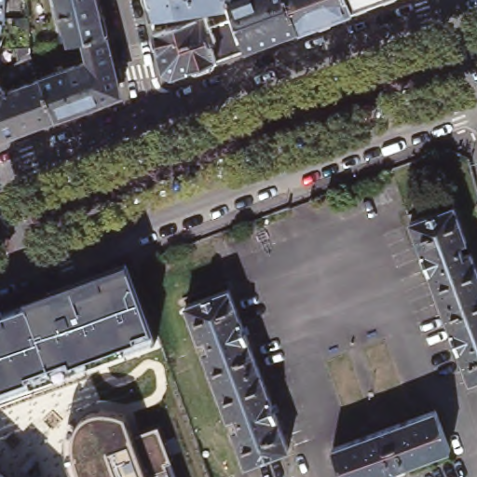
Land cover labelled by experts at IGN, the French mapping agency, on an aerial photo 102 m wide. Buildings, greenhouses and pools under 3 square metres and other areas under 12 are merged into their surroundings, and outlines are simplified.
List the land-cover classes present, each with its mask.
<instances>
[{"label":"impervious surface","instance_id":"1","mask_svg":"<svg viewBox=\"0 0 477 477\"><path fill-rule=\"evenodd\" d=\"M26 4V0H4V15L7 19H22L20 9ZM102 24L114 54L117 73H125V80L119 84V95L127 102L104 108L101 112H93L88 116L76 117L73 121H67L52 129L24 136L11 143L4 151H0V192L6 186H24L26 179L32 175L61 170L65 162L84 160L95 153H101L104 149H116L123 143L147 145L145 134L155 132L160 123H173L175 119L190 114L201 117L203 114L220 112L224 110V104L235 101L240 93L252 95L261 89L281 86L287 84V78H304L322 69L339 65L363 52L406 41L414 37L416 32H425V26L432 22L449 19L453 26L462 28V19L466 17V13L477 11V0H397L389 6L376 7L360 17L332 26L330 30L304 35L296 41H287L252 54L248 58L220 65L211 75L184 78L179 82H168L160 86L155 65L151 61V48L157 39V24L151 22L149 15L143 11L142 0H99ZM82 61L80 50H65L61 45L56 47L52 41H48L39 43L34 48H13L11 52H4V58H0V86L4 89L19 88L22 84L34 82L37 78L50 75L58 69L78 65ZM466 76L471 88H475L477 97V54L471 52L470 56L453 65L429 67L414 71L410 75L397 76L384 84H376L375 88L363 93L345 91L341 93L339 101L326 106H315L306 110L296 106L291 116L266 119L259 129L253 130L250 134L233 136L207 149L205 153L196 155L192 160L171 166L158 164L145 175L130 177L129 183L117 186L114 190L93 192L84 198L63 201L58 209L41 212L37 218L24 220L20 224H9L0 211V319L17 313L22 306L34 304L37 300H43L52 294L69 291L76 285L104 278L121 270L129 276L151 332V339H136L132 347L117 352L114 360L88 369L76 367L75 373L71 376L52 375V382L45 388L30 391L19 388L0 395V477H67L63 457L54 449L60 445L61 438L67 434V429L78 425L82 419L89 416H110L123 419L142 470L151 464V458L143 445L142 434L134 427L136 419L132 416L134 412L142 410L143 406H155L162 401V395L166 391L164 365L155 360L143 361L132 371V375L114 371L112 367L160 348V319L164 311L166 294V265L160 261V255L168 252L173 246L190 248L196 244V250L209 263L194 268L190 287L184 298L186 302L196 304L205 302L207 296L212 294L231 293L242 328L248 330V335L244 339L252 347L257 367L265 380L268 397L274 406L272 417L283 430L285 438L291 436L289 449L281 457V462H274L263 468L259 477H339L332 462V453L337 445L360 440L369 434H375L378 430L401 425L408 419L429 412H436L440 417L443 436L445 440L453 442L455 453L449 455L445 462L440 460L434 464L417 466L412 470L410 477H477V389L468 386V380L464 376L466 369L455 367L451 352L438 350L436 347V343L447 341L449 335L440 328L443 320H436V315H432L429 309V296L423 291V261L417 259L416 246L401 231V227H412L414 220H419L421 211L404 207L397 186L389 184L380 196L365 198L354 211L343 214L313 211L309 205L315 199L326 198L330 190H337L343 184L354 186L363 181H373L382 171H388L402 166H408L410 170L421 168L425 162L447 164L453 170L458 171L462 168L464 171L475 205L473 214L477 218V104L471 110L455 112L453 116H445L429 125H401L395 129H388L382 136H373L369 140V147L354 151L345 157L335 158L334 164H320L293 173H279L270 181L248 184L240 190H211L198 198L171 203L168 209L151 212L149 216L145 212L138 222H129L119 231H106L102 233L99 242L84 246L80 250H71L63 261L56 265H35L28 257V253L24 252V233L61 222L69 212H88L95 205H108L114 201L121 203L123 196L136 198L142 192L155 188V184L160 181L186 183L196 177L198 171L216 166L218 158L231 157L238 151H246L252 143L263 140L266 136H276L279 132L300 129L307 123H328L330 119L348 121L352 114L360 110L373 112L378 97L382 95L425 88L434 80L447 82ZM287 209L293 212L291 220L276 222L268 227L263 225L261 231L253 229L252 237L246 242H235L231 231L238 224L253 225L257 220L265 222L266 216L276 212ZM149 369L157 376V388L143 401L129 404L102 401L95 386L89 382V376L101 373L108 384L121 388L132 384L134 378L142 376Z\"/></svg>","mask_w":477,"mask_h":477},{"label":"building","instance_id":"2","mask_svg":"<svg viewBox=\"0 0 477 477\"><path fill-rule=\"evenodd\" d=\"M4 0H0V28L4 26ZM54 32L60 37L61 45L65 50H80L82 61L78 65L58 69L50 75L37 78L34 82L22 84L19 88L4 89L0 86V151H4L11 143L24 136L52 129L67 121H73L76 117L88 116L93 112H101L104 108L127 102L119 95V84L125 80V73H117L114 54L102 24L99 0H50ZM397 0H142L143 11L149 15L151 22L157 24V39L151 48V61L155 65L160 86L168 82H179L184 78L211 75L220 65L248 58L252 54L287 41H296L304 35L330 30L332 26L360 17L376 7L389 6ZM401 231L416 246L417 259L423 261V291L429 296V309L432 315H436V320H443L440 328L449 335L447 341L436 343V347L438 350L451 352L455 367L466 369L464 376L468 380V386L477 389V263L471 255H462L468 246V240L460 224L458 212L453 209L451 203L421 211L419 220H414L412 227H401ZM151 339V332L129 276L121 270L104 278L76 285L69 291L52 294L43 300H37L34 304L22 306L17 313L0 319V395L19 388L30 391L45 388L52 382V375L71 376L75 373L76 367L88 369L114 360L117 352L132 347L136 339ZM184 322L194 345L199 348V360L203 365L207 384L216 401V408L224 419L231 447L237 455V477H259L263 468L274 462H281V457L289 449L291 436L285 438L283 430L272 417L274 406L268 397L265 380L257 367L252 347L244 339L248 335V330L242 328L231 293L212 294L207 296L205 302L196 304L186 302V311H183ZM455 453L453 442L445 440L443 436L440 417L436 412H429L408 419L401 425L378 430L375 434H369L360 440L337 445L332 453V462L339 477H410L412 470L417 466L434 464L440 460L445 462L449 455ZM143 445L151 458V464L142 470L123 419L110 416H89L82 419L78 425L67 429V434L61 438L60 445L54 449L63 457L67 477H173L170 457L160 432L147 430L142 434Z\"/></svg>","mask_w":477,"mask_h":477},{"label":"deciduous trees","instance_id":"3","mask_svg":"<svg viewBox=\"0 0 477 477\"><path fill-rule=\"evenodd\" d=\"M471 52L477 54V11L466 13V17L462 19V28L453 26L449 19L432 22L425 26V32H416L414 37L406 41L363 52L339 65L322 69L304 78H287V84L281 86L261 89L252 95L240 93L235 101L224 104V110L220 112L203 114L201 117L190 114L175 119L173 123H160L155 132L145 134L147 145L123 143L116 149H104L101 153H95L84 160L65 162L61 170L32 175L26 179L24 186H6L0 192V211L9 224H20L24 220L37 218L41 212L58 209L63 201L84 198L93 192L114 190L117 186L129 183L130 177L145 175L158 164L171 166L192 160L196 155L205 153L207 149L233 136L250 134L253 130L259 129L266 119L291 116L296 106L306 110L315 106H326L339 101L341 93L345 91L363 93L375 88L376 84H384L397 76L410 75L414 71L429 67L453 65L470 56ZM477 104V97L475 88H471L466 76L447 82L434 80L425 88L382 95L378 97L373 112L360 110L352 114L348 121L330 119L328 123H307L300 129L279 132L276 136H266L263 140L252 143L246 151H238L231 157L218 158L216 166L198 171L196 177L186 183L160 181L155 184V188L142 192L136 198L123 196L121 203L114 201L108 205H95L88 212H69L61 222L24 233V252L28 253V257L35 265H56L63 261L71 250H80L84 246L99 242L102 233L106 231H119L129 222H138L145 212L149 216L151 212L168 209L171 203L198 198L211 190H240L248 184L270 181L279 173H293L320 164H334L335 158L345 157L354 151L369 147V140L373 136H382L388 129H395L401 125H429L445 116H453L455 112L471 110ZM391 173L388 171H382L373 181H363L354 186L343 184L337 190H330L326 198L315 199L309 205L313 211L343 214L354 211L365 198L380 196L389 184ZM404 207L421 211L451 203V198L440 186L416 183V179L408 173V181L397 186ZM253 229V225L238 224L231 231L235 242H246L252 237ZM160 261L166 265V294L170 296L175 291L184 298L190 287L194 268L209 263L196 250V244L190 248L173 246L168 252L160 255Z\"/></svg>","mask_w":477,"mask_h":477},{"label":"herbaceous vegetation","instance_id":"4","mask_svg":"<svg viewBox=\"0 0 477 477\"><path fill-rule=\"evenodd\" d=\"M22 19H7L4 15V26L0 28V58H4V52H11L13 48H34L39 43L48 41H52L56 47L61 45L60 37L54 32L50 0H26V4L20 9ZM410 170L408 166H402L388 171L391 173L389 184L397 186L408 181V173ZM445 179L449 183L457 184V194L451 198V203L453 209L458 212L460 224L468 240V246L462 255H471L477 263V218L473 214L475 205L464 171L462 168L458 171L453 170L445 173ZM183 311H186V302L184 298L175 291L170 296L166 294L164 311L160 319V348L112 367L114 371L132 375V371L143 361L155 360L164 365L166 391L162 395V401L155 406H143L142 410L134 412L132 416L136 419L134 427L142 434L147 430L160 432L170 457L173 477H237V455L231 447L224 419L216 408V401L207 384L203 365L199 360V348L194 345L184 322ZM89 382L95 386L102 401L129 404L143 401L157 388V376L149 369L142 376L134 378L132 384L121 388L108 384L101 373L89 376Z\"/></svg>","mask_w":477,"mask_h":477},{"label":"brushwood","instance_id":"5","mask_svg":"<svg viewBox=\"0 0 477 477\"><path fill-rule=\"evenodd\" d=\"M453 170L447 164L425 162L421 168L410 170L408 173L416 179V183L440 186L451 198L457 194V184L449 183L445 179V173ZM293 212L287 209L276 212L266 216L265 222L257 220L253 225V229L261 231L263 225L268 227L276 222L291 220Z\"/></svg>","mask_w":477,"mask_h":477}]
</instances>
